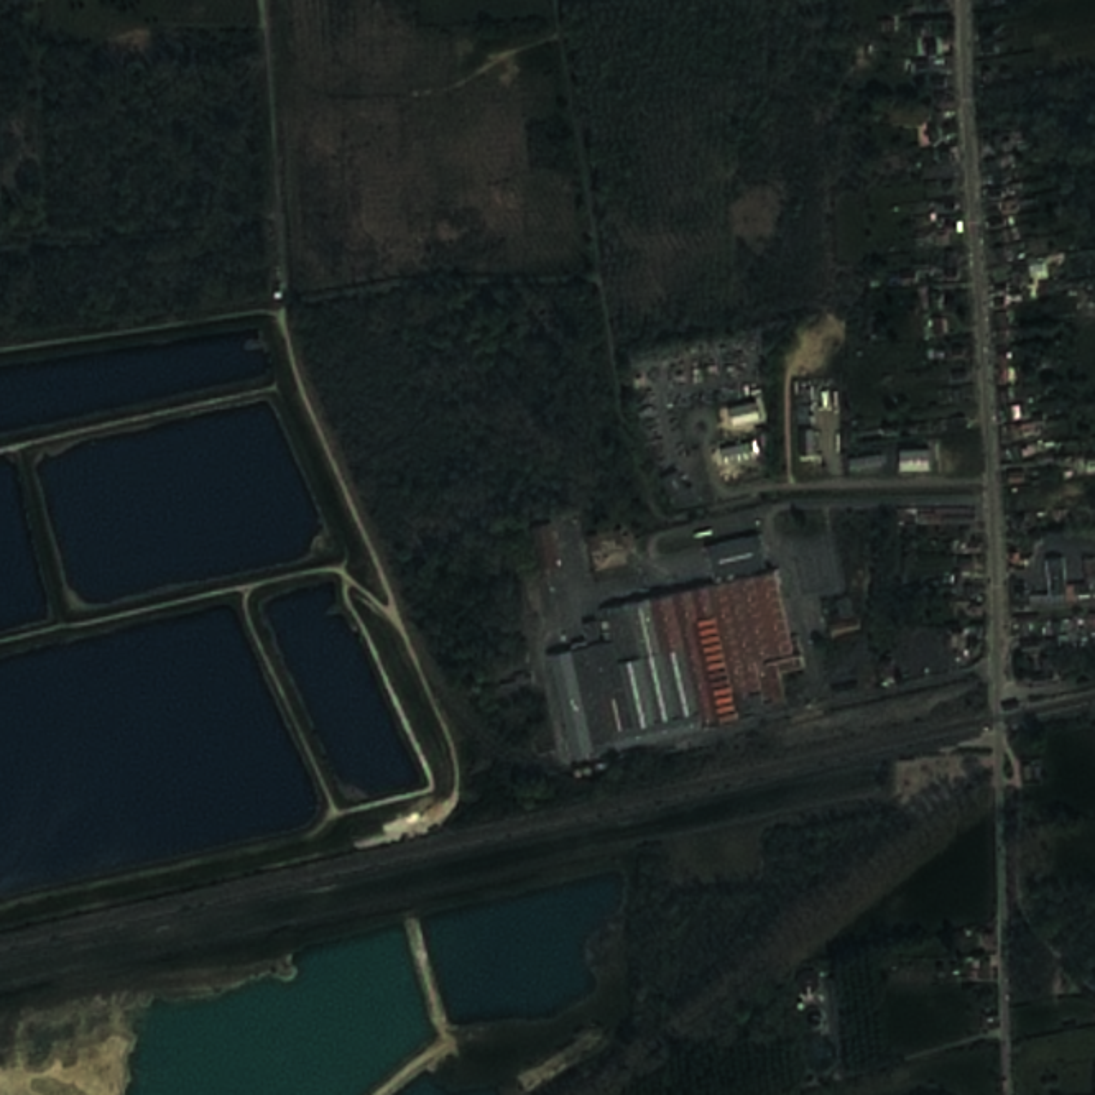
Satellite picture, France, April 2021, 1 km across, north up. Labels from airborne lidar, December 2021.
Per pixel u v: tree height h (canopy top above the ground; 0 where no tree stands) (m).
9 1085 0
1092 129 25
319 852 0
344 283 0
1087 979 14
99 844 0
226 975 0
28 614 0
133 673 0
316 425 0
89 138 9
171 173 18
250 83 6
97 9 0
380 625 0
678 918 16
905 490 0
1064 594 0
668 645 0
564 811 0
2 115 6
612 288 22
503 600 22
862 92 7
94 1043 0
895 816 7
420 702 0
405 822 0
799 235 11
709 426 0
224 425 0
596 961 0
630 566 0
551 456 23
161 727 0
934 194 0
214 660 0
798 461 0
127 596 0
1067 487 0
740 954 22
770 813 0
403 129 0
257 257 36
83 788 0
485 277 0
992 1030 0
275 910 0
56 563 0
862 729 0
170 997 0
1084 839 0
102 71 27
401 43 0
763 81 9
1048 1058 0
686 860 0
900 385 0
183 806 0
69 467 0
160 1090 0
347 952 0
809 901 26
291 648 0
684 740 0
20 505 0
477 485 25
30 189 24
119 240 18
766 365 13
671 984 14
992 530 0
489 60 0
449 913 0
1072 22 0
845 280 6
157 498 0
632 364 15
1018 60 0
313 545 0
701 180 26
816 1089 5
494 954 0
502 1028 0
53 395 0
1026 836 35
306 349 5
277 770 0
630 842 0
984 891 0
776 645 0
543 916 0
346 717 0
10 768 0
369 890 0
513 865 0
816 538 0
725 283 27
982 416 0
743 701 0
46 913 0
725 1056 20
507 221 0
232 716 0
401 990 0
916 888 0
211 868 0
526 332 6
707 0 15
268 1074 0
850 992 19
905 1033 0
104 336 0
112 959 0
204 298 27
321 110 0
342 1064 0
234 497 0
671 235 27
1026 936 24
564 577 0
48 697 0
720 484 0
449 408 18
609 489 25
